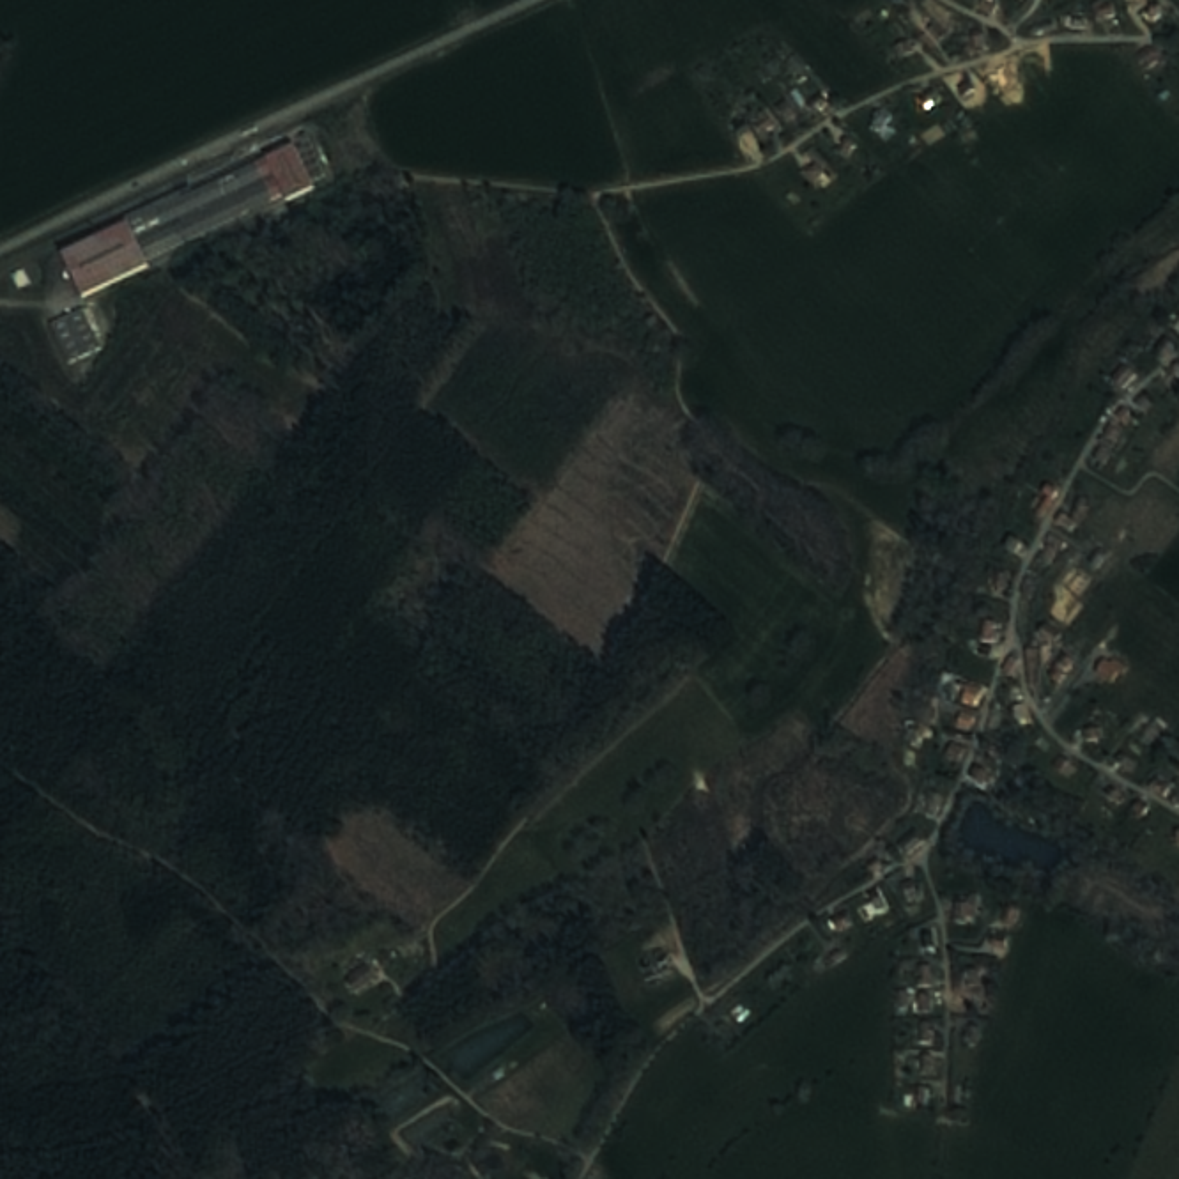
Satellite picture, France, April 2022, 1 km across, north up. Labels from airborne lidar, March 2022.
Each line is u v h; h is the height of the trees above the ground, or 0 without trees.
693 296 0
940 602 9
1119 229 0
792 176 0
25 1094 21
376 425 23
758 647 0
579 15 0
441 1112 0
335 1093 0
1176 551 0
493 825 15
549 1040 0
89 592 27
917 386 0
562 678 26
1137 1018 0
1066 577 0
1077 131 0
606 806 0
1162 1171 0
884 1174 0
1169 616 0
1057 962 0
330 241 29
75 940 15
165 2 0
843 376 0
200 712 19
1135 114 0
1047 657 0
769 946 17
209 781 24
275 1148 29
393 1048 0
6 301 0
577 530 0
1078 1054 0
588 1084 0
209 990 13
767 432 0
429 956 7
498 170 0
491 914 0
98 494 9
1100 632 0
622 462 0
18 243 0
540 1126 0
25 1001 30
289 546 23
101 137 0
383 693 16
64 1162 19
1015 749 16
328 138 0
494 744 13
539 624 23
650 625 27
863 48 0
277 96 0
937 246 0
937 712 0
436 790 17
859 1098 0
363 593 16
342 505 19
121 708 26
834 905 0
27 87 0
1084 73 0
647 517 0
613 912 13
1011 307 0
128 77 0
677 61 0
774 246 0
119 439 0
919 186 0
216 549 19
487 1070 0
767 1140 0
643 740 0
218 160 0
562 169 0
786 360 0
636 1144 0
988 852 0
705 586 0
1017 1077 0
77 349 0
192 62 0
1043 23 0
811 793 0
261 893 21
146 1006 11
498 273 0
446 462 19
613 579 0
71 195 0
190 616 21
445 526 23
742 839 0
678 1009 0
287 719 20
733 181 0
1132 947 7
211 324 0
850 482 0
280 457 25
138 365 0
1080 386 0
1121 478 0
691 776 0
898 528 0
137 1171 20
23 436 6
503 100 0
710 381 0
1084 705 13
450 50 0
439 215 0
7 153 0
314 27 0
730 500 21
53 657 23
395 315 27
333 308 19
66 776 24
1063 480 0
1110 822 0
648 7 0
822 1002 0
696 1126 0
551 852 0
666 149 0
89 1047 26
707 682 0
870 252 0
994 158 0
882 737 0
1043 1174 0
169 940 14
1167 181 0
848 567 23
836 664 0
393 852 0
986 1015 6
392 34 0
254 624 21
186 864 19
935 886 0
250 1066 29
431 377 23
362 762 19
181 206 0
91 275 0
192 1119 29
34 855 15
